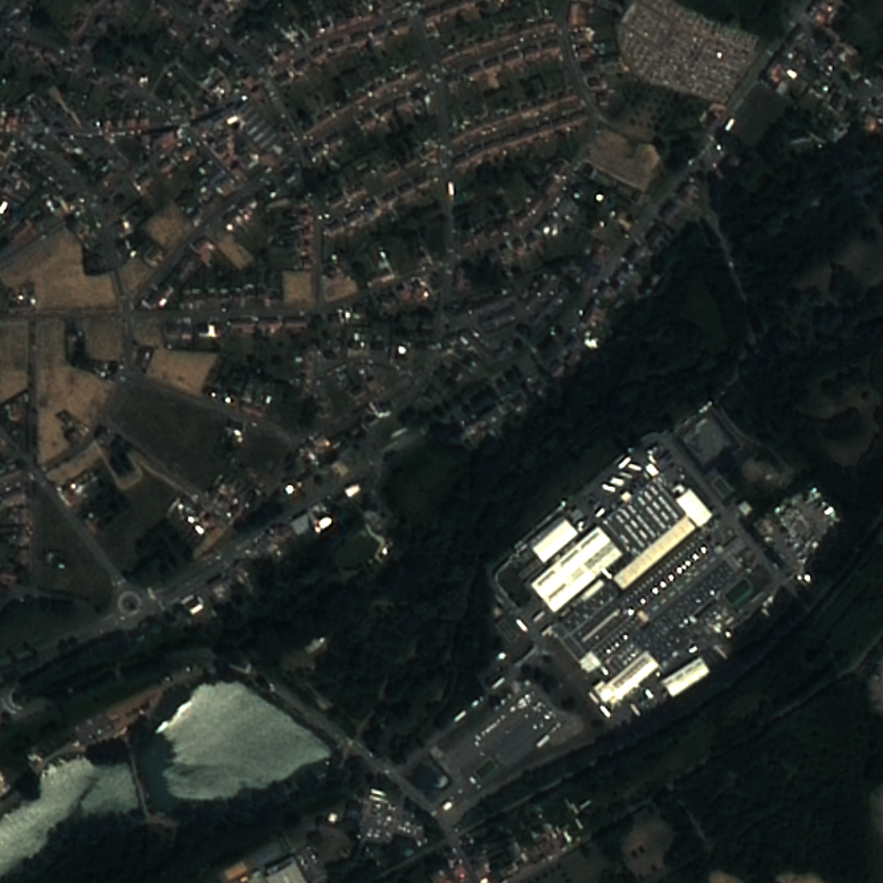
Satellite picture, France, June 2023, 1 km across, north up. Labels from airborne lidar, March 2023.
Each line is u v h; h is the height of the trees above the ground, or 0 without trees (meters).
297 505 0
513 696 0
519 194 0
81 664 9
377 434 0
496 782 0
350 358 0
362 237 0
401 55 0
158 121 0
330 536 18
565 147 0
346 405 0
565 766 10
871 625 6
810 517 0
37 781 12
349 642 7
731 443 0
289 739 0
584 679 0
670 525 0
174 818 6
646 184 0
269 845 0
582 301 0
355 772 6
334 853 0
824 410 0
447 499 7
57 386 0
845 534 17
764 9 22
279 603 13
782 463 0
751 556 0
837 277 11
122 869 10
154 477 0
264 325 0
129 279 0
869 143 14
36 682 12
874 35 0
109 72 0
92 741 0
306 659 0
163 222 0
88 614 0
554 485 0
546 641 0
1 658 0
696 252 13
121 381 0
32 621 0
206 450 0
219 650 17
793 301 18
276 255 0
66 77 0
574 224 0
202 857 7
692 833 15
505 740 0
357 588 23
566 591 0
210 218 0
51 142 0
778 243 20
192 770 0
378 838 0
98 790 0
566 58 0
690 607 0
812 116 10
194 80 0
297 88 0
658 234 0
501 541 9
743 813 12
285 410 0
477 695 13
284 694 0
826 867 7
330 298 0
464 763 0
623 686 0
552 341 12
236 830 32
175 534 12
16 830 0
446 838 0
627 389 22
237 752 0
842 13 7
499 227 10
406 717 23
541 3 0
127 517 0
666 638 0
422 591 8
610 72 0
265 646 33
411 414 11
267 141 0
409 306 0
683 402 6
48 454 0
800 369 17
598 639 0
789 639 19
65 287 0
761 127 0
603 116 0
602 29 0
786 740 6
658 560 0
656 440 0
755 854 6
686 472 6
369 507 0
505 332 0
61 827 13
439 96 0
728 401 13
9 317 0
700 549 0
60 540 0
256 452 0
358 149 0
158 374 0
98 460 0
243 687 0
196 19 0
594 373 21
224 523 0
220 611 11
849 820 12
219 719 0
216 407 0
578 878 0
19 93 0
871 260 0
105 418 0
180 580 0
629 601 0
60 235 0
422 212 9
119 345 0
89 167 9
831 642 7
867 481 15
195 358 0
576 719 0
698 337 18
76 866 13
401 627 14
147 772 0
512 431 24
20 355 0
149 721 11
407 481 0
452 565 28
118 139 0
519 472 19
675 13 0
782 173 11
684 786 9
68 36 0
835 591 7
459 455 13
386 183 0
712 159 0
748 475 0
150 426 0
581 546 0
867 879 7
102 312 0
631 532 0
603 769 14
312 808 0
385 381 0
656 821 0
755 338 0
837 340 15
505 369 0
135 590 0
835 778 8
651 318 23
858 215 20
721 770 12
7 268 0
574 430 18
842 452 0
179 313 0
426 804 0
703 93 0
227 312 0
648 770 0
